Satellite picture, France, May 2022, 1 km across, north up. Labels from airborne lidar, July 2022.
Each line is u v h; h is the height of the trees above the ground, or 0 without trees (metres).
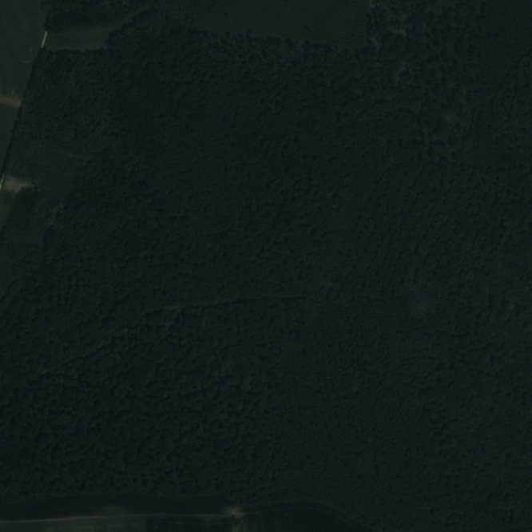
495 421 24
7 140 0
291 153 19
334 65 29
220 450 29
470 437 22
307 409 23
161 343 30
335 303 18
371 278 23
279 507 0
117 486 20
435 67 20
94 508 0
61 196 17
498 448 22
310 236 23
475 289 27
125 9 25
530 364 25
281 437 21
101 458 29
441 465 23
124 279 24
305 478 20
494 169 19
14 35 0
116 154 29
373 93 16
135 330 23
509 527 17
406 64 13
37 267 8
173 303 24
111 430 30
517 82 23
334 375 21
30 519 0
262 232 18
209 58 19
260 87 23
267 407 20
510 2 16
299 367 21
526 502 23
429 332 20
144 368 29
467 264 22
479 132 13
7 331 25
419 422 25
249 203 22
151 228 18
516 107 26
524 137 24
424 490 25
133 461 27
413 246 25
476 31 23
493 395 22
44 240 13
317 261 21
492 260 28
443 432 25
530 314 22
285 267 20
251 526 0
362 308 22
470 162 10
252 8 0
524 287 25
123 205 24
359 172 21
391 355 23
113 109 28
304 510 0
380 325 27
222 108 19
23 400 27
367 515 18
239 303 17
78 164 17
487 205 24
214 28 0
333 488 18
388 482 21
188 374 28
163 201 26
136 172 26
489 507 26
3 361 24
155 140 25
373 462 22
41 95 25
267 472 20
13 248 11
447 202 25
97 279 23
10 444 27
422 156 23
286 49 30
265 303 20
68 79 26
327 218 26
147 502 0
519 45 13
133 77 27
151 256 16
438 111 20
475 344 25
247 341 20
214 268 19
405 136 21
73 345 23
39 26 0
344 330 21
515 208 29
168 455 17
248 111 24
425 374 17
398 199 23
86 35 0
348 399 23
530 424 15
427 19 24
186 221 23
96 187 23
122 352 25
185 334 23
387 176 20
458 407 21
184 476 27
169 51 23
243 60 19
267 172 22
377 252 20
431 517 22
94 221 23
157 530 0
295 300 21
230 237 21
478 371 7
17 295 8
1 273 0
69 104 20
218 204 21
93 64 23
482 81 10
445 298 24
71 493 15
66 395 29
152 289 21
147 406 29
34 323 25
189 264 23
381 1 23
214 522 0
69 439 31
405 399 25
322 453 21
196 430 24
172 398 34
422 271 25
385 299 23
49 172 13
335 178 21
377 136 19
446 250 25
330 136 22
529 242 26
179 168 21
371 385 24
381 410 22
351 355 26
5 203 0
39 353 20
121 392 30
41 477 23
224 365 28
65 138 24
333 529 0
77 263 25
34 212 11
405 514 21
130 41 28
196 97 21
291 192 19
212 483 22
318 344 19
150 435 31
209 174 18
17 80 0
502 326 23
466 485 24
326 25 0
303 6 0
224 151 19
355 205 20
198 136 23
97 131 29
